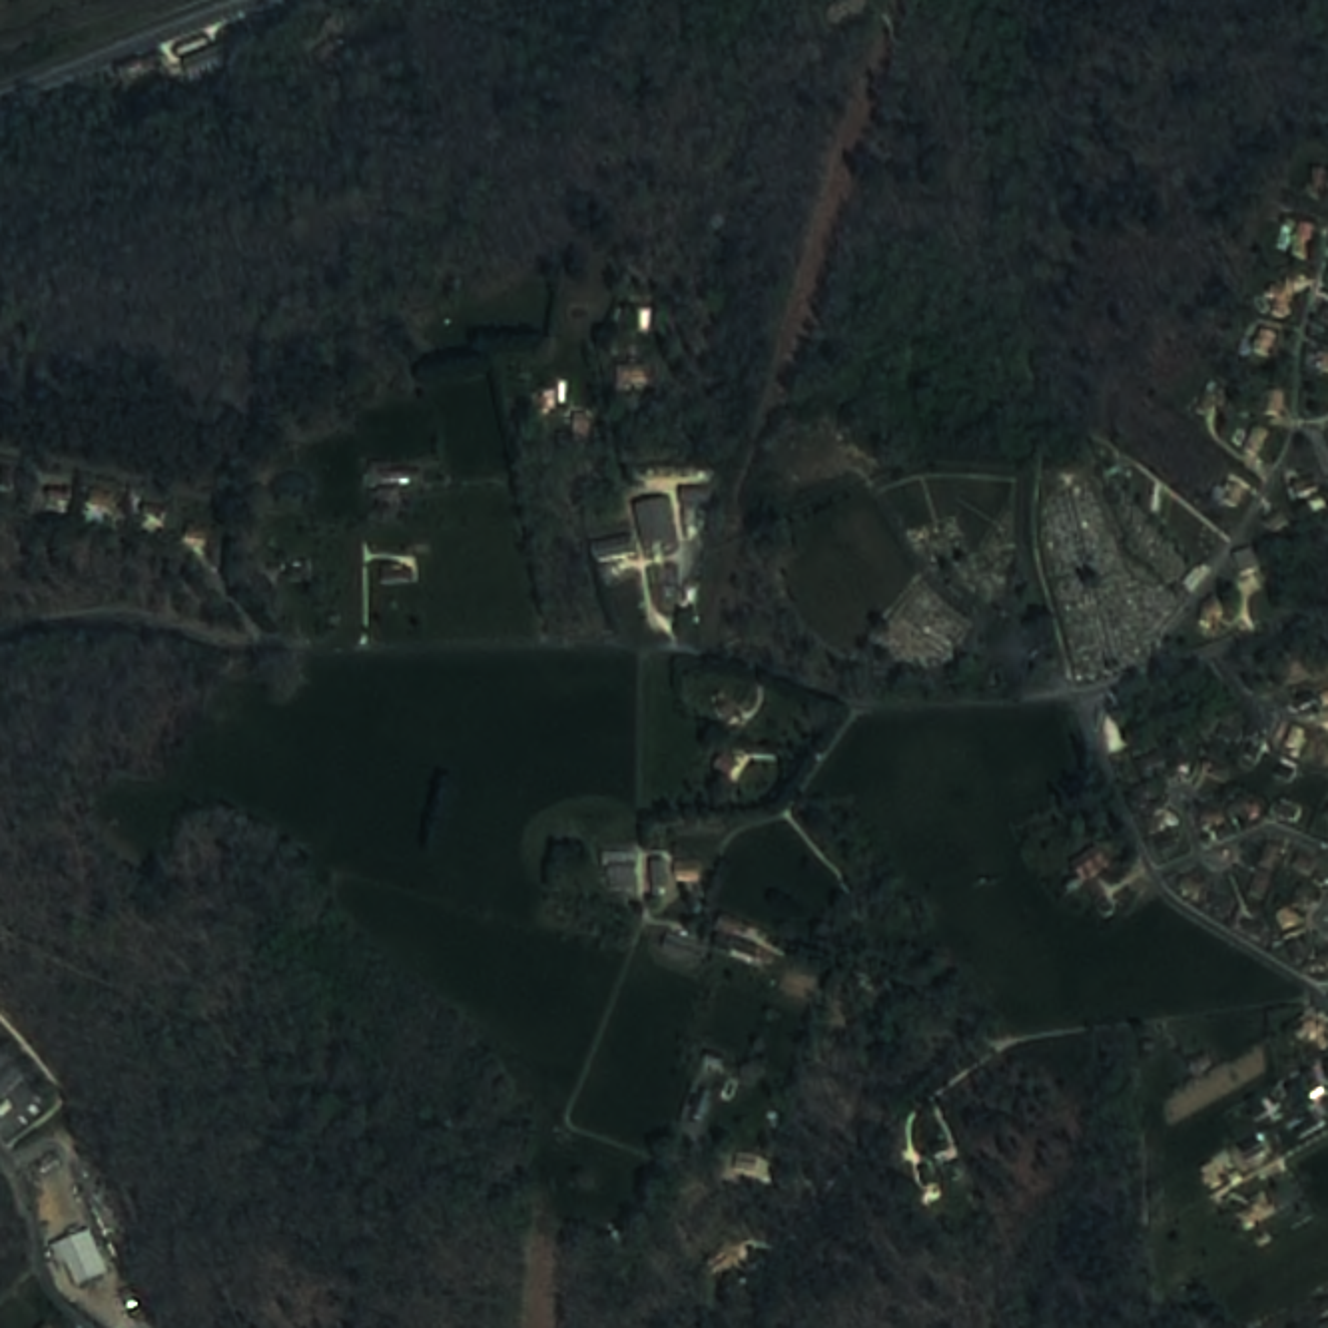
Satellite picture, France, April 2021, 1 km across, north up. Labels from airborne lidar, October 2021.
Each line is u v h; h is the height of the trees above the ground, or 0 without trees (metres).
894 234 18
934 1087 15
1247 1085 0
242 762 0
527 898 0
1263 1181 0
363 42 10
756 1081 9
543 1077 0
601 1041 0
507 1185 17
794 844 0
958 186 23
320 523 7
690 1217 21
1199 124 19
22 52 7
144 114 11
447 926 0
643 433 21
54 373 10
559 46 18
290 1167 18
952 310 23
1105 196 10
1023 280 20
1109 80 14
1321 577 13
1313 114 13
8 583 18
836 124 10
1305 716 0
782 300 19
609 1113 0
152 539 7
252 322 16
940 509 0
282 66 24
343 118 15
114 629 7
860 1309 15
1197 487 8
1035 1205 8
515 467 20
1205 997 0
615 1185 0
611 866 0
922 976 16
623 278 9
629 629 0
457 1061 9
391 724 0
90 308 15
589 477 16
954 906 0
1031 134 24
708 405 19
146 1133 21
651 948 0
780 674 16
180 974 19
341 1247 15
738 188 16
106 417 23
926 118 16
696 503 0
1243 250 17
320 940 11
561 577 14
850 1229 21
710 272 16
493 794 0
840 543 0
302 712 0
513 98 17
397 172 19
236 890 18
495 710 0
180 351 14
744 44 23
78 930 18
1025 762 0
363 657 0
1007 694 13
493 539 0
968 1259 17
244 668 0
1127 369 11
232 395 19
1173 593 8
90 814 10
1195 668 11
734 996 0
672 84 16
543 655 0
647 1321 20
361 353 21
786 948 11
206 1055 26
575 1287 18
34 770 16
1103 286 7
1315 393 8
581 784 0
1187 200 9
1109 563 0
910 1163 0
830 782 0
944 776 0
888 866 6
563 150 20
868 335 26
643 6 20
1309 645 24
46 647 21
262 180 21
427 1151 21
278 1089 18
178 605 21
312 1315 7
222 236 17
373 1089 16
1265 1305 0
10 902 16
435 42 16
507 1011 0
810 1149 18
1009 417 24
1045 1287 15
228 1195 18
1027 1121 18
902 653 0
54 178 20
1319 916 0
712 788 12
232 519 24
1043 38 14
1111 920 6
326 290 10
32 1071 18
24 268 18
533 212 13
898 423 21
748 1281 17
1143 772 6
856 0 0
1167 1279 0
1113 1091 23
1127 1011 0
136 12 0
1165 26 22
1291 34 13
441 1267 17
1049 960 0
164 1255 16
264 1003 24
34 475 12
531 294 0
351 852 0
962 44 25
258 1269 18
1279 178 13
